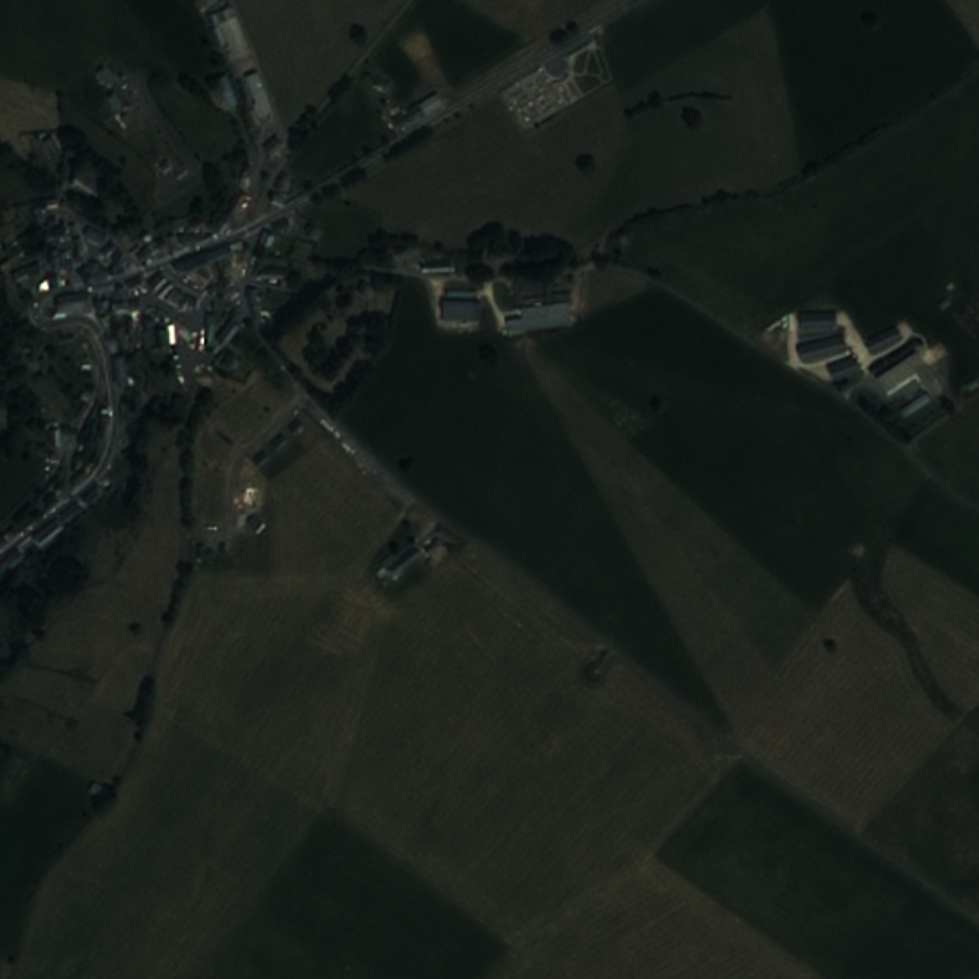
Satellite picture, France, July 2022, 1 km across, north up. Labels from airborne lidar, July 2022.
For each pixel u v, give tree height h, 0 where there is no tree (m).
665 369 0
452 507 0
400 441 0
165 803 0
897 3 0
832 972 0
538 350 0
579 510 0
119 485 0
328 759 0
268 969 0
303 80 0
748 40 0
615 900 0
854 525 0
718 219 0
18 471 0
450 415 0
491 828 0
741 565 0
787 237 0
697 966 0
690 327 0
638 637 0
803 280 0
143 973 0
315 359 21
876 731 0
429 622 0
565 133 0
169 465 0
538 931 0
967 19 0
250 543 0
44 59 0
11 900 0
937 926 0
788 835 0
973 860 0
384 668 0
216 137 0
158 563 0
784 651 0
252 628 0
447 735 0
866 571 0
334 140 0
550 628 0
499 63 0
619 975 0
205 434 0
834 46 0
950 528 0
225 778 0
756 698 0
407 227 0
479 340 0
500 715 0
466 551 0
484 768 0
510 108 0
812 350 0
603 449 0
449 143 0
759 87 0
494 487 0
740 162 0
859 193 0
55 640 0
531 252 21
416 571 0
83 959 0
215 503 0
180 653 0
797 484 0
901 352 6
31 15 0
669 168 0
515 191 0
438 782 0
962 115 0
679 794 0
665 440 0
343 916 0
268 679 0
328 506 0
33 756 0
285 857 0
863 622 0
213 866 0
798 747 0
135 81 0
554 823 0
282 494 0
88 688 0
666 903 0
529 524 0
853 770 0
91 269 0
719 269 0
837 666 0
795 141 0
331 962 0
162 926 0
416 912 0
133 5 0
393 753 0
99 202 18
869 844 0
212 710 0
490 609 0
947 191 0
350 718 0
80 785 0
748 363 0
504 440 0
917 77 0
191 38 0
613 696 0
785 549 0
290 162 0
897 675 0
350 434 0
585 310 0
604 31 0
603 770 0
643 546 0
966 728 0
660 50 0
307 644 0
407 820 0
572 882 0
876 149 0
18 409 20
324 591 0
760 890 0
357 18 0
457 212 0
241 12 0
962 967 0
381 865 0
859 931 0
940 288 0
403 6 0
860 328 0
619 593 0
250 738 0
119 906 0
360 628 0
